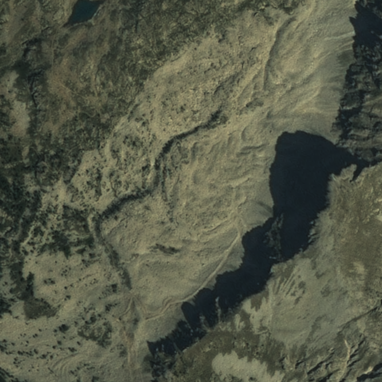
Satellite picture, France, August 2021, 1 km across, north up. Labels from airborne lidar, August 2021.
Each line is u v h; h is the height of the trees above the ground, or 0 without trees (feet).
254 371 0
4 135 0
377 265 0
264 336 0
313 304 0
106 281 0
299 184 0
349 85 0
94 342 0
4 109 0
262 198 0
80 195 0
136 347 0
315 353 0
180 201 0
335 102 0
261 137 0
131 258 0
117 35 0
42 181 0
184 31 0
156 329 0
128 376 0
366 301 0
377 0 0
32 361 0
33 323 0
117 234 0
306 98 0
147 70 0
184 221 0
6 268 0
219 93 0
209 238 0
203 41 0
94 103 0
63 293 0
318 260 0
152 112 0
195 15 0
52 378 0
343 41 0
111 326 0
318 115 0
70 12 0
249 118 0
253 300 0
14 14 0
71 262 0
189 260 0
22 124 0
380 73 0
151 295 0
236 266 0
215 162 0
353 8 0
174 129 0
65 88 0
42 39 0
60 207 0
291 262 0
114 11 0
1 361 0
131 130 0
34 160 0
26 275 0
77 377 0
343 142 0
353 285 0
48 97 0
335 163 0
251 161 0
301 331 0
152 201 0
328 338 0
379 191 0
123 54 0
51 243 0
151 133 0
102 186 0
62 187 0
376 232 0
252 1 0
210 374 0
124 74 0
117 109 0
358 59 0
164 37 0
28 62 0
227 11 0
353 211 0
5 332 0
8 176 0
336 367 0
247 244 0
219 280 0
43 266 0
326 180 0
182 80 0
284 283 0
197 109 0
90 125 0
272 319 0
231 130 0
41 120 0
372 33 0
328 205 0
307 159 0
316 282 0
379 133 0
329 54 0
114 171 0
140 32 0
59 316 0
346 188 0
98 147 0
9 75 0
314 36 0
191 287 0
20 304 0
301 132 0
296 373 0
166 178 0
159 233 0
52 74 0
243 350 0
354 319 0
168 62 0
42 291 0
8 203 0
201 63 0
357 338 0
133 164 0
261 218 0
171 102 0
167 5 0
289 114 0
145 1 0
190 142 0
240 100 0
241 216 0
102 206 0
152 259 0
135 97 0
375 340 0
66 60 0
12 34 0
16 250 35
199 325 24
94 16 0
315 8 0
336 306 0
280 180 0
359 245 0
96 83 0
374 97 0
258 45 0
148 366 0
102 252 0
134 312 0
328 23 0
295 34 0
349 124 0
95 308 0
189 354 0
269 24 0
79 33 0
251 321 0
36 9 0
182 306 0
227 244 0
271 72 0
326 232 0
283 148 0
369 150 0
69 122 0
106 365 0
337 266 0
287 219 0
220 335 0
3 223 0
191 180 0
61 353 0
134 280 0
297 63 0
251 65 0
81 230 0
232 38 0
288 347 0
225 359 0
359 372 0
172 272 0
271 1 0
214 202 0
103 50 0
